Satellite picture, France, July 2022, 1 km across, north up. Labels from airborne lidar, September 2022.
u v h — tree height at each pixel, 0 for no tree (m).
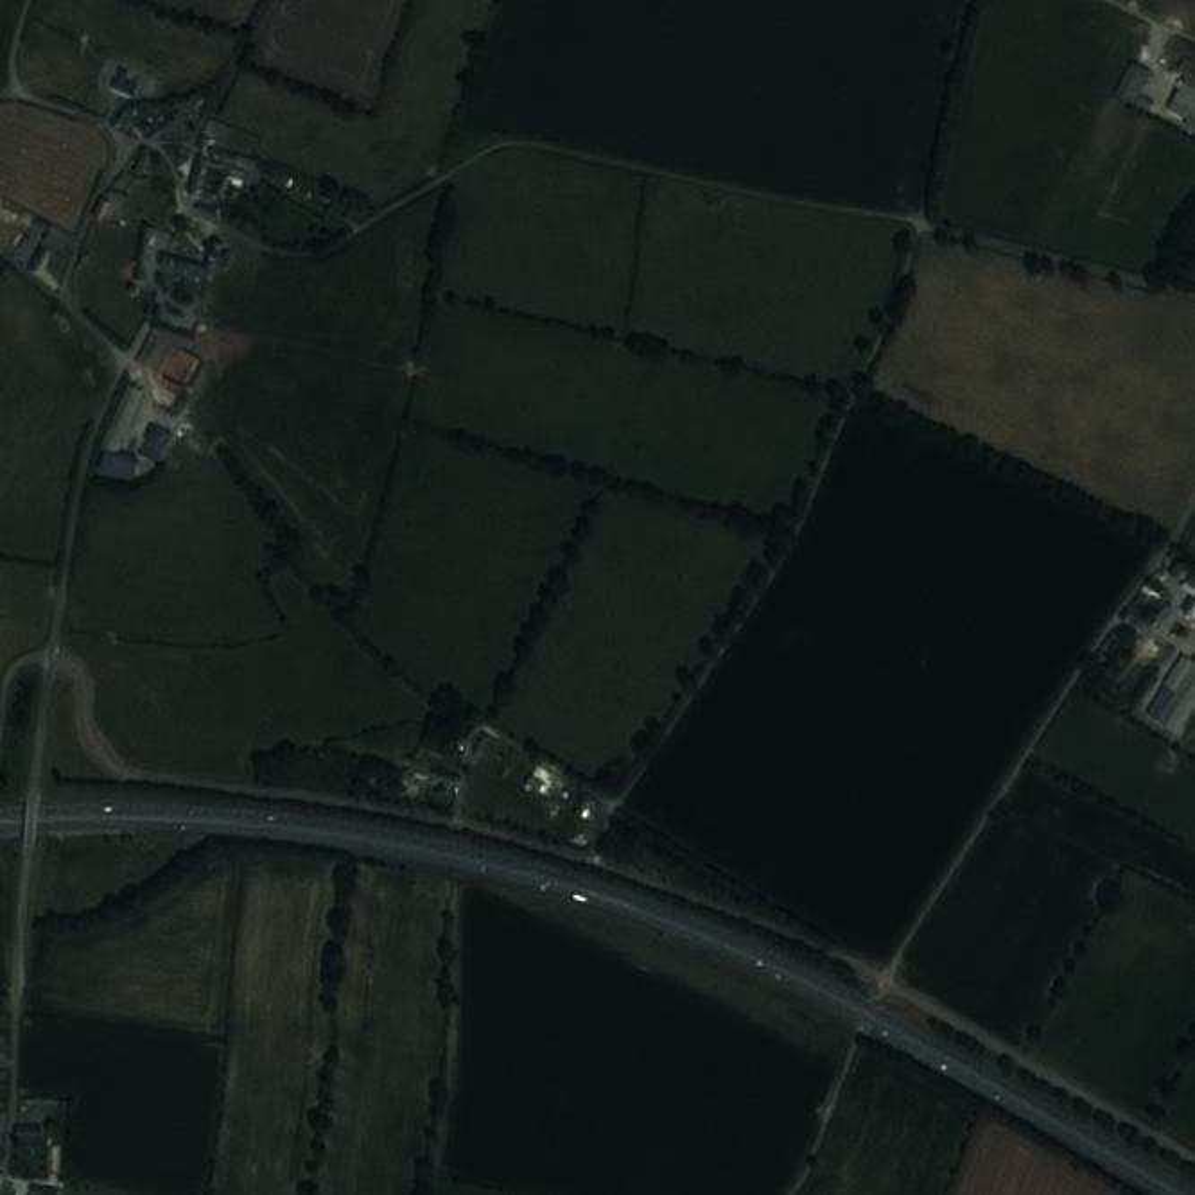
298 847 11
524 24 0
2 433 0
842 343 0
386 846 0
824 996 0
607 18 0
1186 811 0
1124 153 0
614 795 6
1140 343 0
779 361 0
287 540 18
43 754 0
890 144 0
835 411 14
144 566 0
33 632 0
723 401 0
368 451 0
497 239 0
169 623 0
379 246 0
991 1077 0
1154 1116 19
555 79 0
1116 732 0
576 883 0
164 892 11
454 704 15
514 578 0
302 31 0
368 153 0
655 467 0
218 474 0
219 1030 0
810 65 0
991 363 0
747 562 0
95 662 0
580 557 14
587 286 0
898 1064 12
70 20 0
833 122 0
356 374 0
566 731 0
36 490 0
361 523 0
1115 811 8
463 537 0
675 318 0
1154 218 0
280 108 0
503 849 9
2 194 0
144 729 0
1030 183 0
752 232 0
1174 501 0
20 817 0
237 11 0
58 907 0
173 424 0
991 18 0
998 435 0
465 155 0
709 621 0
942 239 14
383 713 0
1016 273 0
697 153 0
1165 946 0
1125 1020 0
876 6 0
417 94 0
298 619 0
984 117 0
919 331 0
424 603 0
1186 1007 0
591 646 0
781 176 0
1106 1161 0
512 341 0
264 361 0
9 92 0
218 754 0
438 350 0
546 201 0
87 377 0
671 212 0
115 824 0
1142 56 0
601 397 0
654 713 0
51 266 0
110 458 0
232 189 7
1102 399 0
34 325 0
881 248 0
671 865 9
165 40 0
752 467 0
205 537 0
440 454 0
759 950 0
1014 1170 0
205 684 0
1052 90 0
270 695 0
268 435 0
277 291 0
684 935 0
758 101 0
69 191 0
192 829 0
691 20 0
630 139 0
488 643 0
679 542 0
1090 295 0
